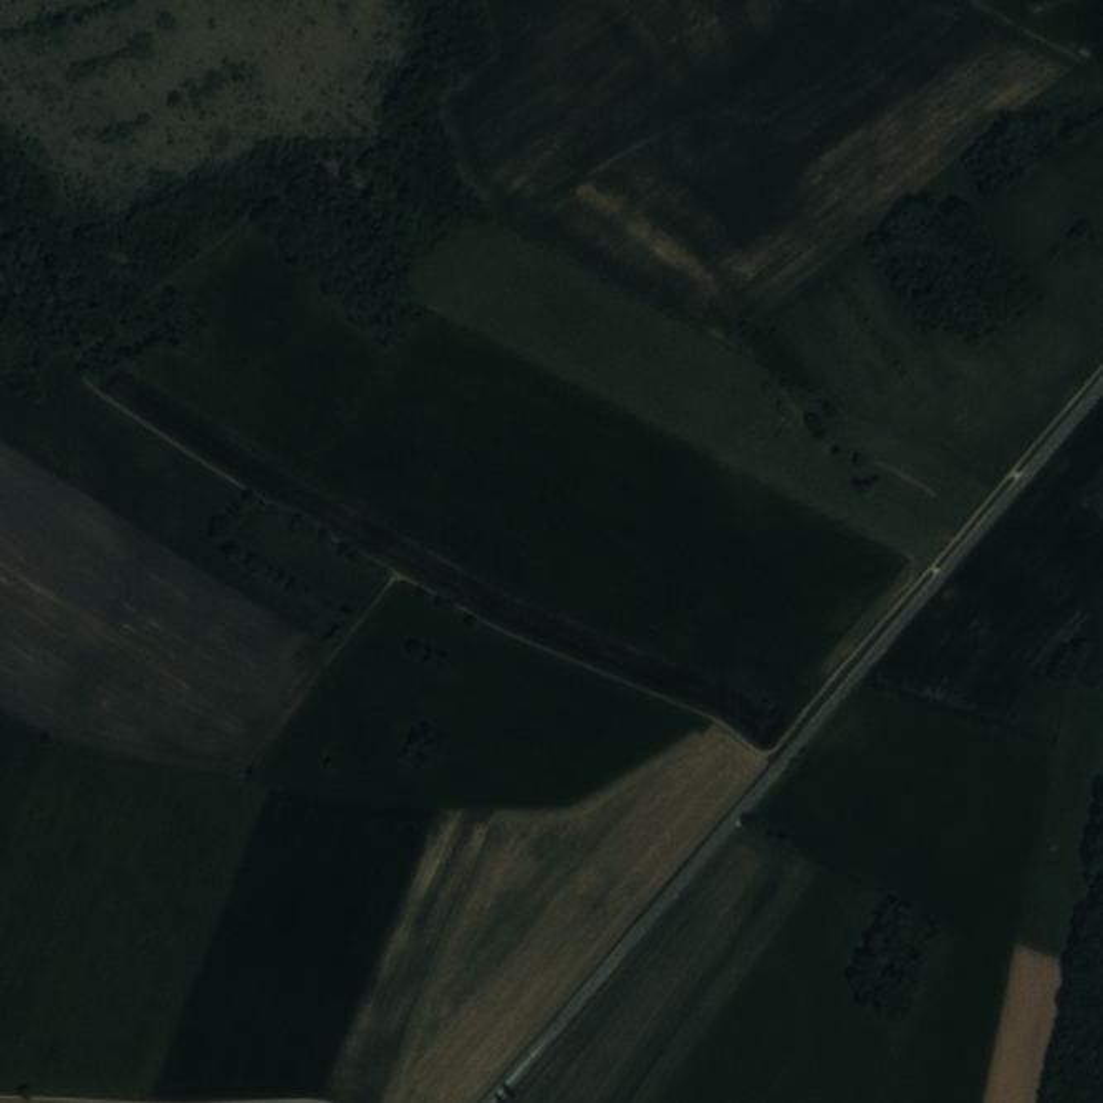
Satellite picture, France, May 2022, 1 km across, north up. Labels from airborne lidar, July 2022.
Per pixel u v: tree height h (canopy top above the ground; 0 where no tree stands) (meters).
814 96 0
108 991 0
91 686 0
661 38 0
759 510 0
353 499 0
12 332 24
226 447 0
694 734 0
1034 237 0
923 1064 0
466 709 0
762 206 0
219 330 0
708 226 0
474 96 0
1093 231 7
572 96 0
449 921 0
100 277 18
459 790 0
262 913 0
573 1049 0
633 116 0
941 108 0
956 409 0
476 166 0
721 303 0
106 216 8
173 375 0
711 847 0
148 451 0
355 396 0
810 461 0
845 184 0
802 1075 0
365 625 0
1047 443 0
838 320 0
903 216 18
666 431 0
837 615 0
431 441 0
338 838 0
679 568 0
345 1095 0
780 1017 0
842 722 0
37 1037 0
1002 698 0
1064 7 0
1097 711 0
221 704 0
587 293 0
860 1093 0
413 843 0
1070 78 0
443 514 0
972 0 0
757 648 0
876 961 19
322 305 0
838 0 0
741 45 0
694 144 0
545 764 0
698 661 0
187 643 0
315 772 0
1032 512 0
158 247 12
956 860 0
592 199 0
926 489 0
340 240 11
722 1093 0
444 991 0
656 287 0
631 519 0
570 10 0
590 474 0
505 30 0
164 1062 0
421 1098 0
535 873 0
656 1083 0
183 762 0
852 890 0
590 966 0
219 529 16
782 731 0
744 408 0
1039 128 25
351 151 6
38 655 0
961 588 0
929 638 0
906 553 0
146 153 0
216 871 0
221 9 0
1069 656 17
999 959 0
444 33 18
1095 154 0
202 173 6
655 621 0
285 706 0
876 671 0
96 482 0
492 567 0
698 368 0
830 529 0
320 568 0
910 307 8
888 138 0
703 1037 0
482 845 0
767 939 0
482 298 0
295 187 23
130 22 0
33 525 0
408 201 17
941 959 0
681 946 0
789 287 0
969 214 19
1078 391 0
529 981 0
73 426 0
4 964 0
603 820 0
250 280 0
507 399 0
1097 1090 23
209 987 0
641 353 0
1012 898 0
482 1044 0
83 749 0
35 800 0
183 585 0
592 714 0
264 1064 0
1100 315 0
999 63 0
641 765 0
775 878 0
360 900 0
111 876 0
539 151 0
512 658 0
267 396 0
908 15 0
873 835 0
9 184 23
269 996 0
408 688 0
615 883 0
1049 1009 0
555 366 0
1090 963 20
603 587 0
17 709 0
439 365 0
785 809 0
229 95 0
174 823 0
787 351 6
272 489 0
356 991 0
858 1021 0
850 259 0
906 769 0
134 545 0
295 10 0
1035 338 0
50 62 0
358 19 0
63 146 0
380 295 14
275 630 0
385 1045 0
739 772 0
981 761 0
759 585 0
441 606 12
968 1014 0
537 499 0
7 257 26
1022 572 0
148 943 0
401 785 0
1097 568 0
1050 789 0
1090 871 13
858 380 0
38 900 0
